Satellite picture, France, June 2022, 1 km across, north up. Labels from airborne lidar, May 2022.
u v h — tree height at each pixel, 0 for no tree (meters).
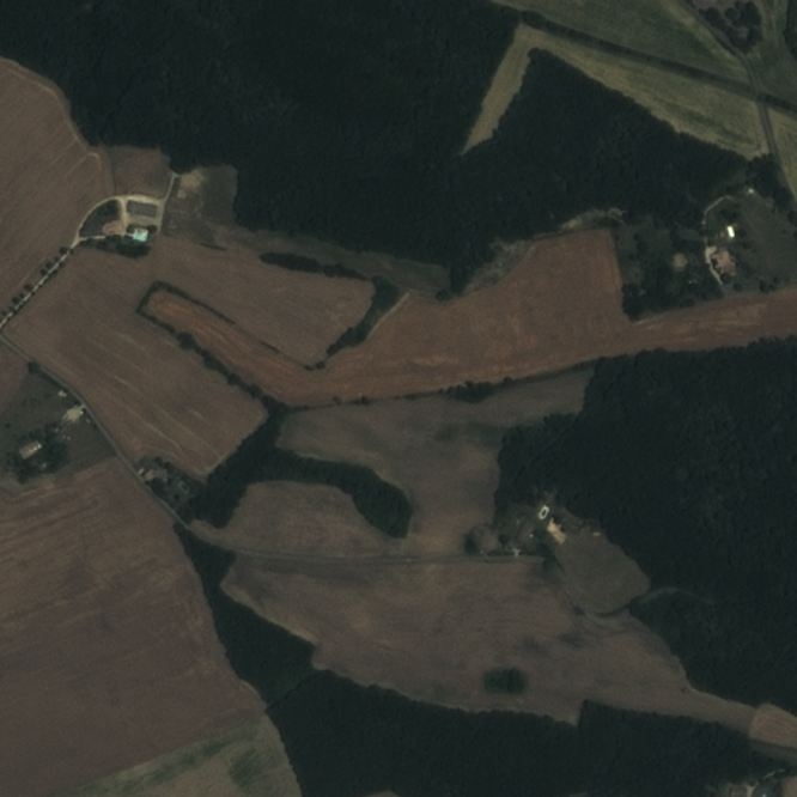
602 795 15
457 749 19
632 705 0
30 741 0
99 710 0
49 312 0
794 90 0
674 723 23
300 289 0
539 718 12
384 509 12
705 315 0
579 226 0
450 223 21
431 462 0
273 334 0
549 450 8
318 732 14
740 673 16
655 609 11
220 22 15
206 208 0
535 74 16
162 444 0
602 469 15
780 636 19
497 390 12
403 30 9
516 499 8
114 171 0
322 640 0
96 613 0
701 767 21
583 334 0
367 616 0
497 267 0
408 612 0
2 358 0
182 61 15
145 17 13
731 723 0
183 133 18
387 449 0
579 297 0
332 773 15
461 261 18
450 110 18
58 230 0
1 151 0
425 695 0
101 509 0
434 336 0
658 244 0
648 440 17
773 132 0
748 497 16
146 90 18
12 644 0
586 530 0
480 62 17
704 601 7
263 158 18
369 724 17
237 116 21
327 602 0
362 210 15
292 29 11
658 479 14
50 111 0
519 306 0
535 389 0
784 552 18
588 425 19
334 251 0
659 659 0
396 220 15
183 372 0
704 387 17
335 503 0
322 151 19
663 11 0
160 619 0
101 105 17
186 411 0
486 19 26
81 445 0
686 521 18
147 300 8
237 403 0
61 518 0
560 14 0
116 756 0
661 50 0
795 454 19
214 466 0
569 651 0
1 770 0
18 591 0
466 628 0
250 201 19
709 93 0
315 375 0
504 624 0
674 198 18
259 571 0
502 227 16
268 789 0
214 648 0
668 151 20
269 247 0
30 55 11
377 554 0
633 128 19
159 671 0
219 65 16
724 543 17
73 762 0
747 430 14
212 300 0
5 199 0
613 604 0
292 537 0
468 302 0
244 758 0
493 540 0
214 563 9
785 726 0
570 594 0
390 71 7
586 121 21
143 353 0
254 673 14
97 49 13
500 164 20
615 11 0
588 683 0
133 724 0
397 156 14
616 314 0
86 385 0
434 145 13
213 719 0
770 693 16
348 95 9
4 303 0
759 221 0
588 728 17
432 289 0
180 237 0
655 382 17
